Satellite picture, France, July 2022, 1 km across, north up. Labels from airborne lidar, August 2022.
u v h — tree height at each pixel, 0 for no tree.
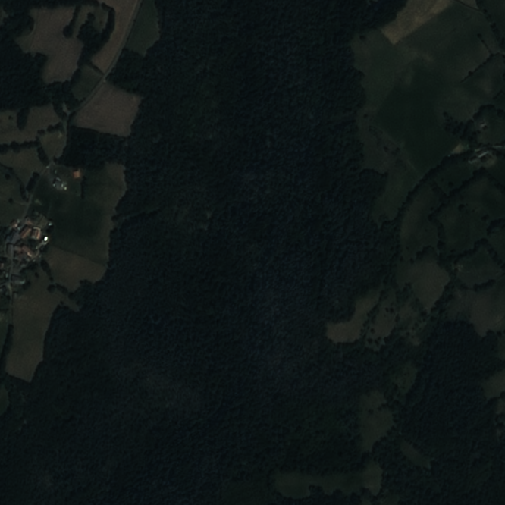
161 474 13
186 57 20
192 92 15
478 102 0
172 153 23
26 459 14
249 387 25
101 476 16
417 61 0
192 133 16
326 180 30
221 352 17
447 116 10
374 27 11
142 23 0
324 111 19
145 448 24
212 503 23
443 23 0
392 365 23
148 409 11
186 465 19
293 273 17
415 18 0
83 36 14
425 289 0
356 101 17
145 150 17
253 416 20
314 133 13
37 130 0
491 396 0
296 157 11
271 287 24
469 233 0
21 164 0
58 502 17
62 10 0
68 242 0
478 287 14
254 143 18
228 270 17
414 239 0
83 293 6
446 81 0
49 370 12
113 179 0
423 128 0
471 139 14
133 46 0
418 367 16
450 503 18
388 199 0
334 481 0
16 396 13
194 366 16
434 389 23
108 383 21
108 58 0
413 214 0
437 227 6
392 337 14
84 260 0
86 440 25
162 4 10
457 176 0
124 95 0
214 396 25
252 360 16
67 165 10
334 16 12
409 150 0
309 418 16
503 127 0
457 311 0
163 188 19
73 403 20
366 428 0
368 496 16
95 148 23
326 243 24
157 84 9
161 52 18
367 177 16
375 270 17
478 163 0
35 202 0
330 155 8
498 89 0
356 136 10
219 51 20
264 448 11
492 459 13
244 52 20
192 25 17
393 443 10
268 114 6
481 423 10
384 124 0
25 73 16
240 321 9
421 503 23
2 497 22
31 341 0
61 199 0
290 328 7
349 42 14
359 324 0
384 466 21
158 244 25
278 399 20
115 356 19
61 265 0
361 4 23
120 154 10
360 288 15
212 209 15
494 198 0
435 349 24
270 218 15
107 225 0
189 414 25
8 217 0
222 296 21
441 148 0
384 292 11
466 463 10
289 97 11
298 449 9
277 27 15
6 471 24
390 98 0
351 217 16
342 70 14
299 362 12
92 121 0
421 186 16
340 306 12
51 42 0
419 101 0
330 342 12
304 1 12
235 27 17
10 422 21
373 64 0
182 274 23
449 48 0
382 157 0
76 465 22
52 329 13
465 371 20
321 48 15
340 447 8
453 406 19
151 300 28
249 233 21
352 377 22
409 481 10
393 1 24
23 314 0
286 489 0
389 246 16
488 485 16
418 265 0
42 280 0
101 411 20
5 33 11
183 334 27
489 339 12
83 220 0
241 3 18
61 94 12
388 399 16
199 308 28
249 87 27
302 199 16
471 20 0
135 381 13
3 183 0
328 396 22
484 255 0
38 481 17
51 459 22
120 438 22
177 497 21
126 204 19
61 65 0
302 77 9
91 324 15
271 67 10
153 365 20
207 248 23
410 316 0
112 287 27
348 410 8
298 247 20
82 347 13
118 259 21
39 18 0
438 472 20
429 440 24
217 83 11
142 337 29
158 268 27
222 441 19
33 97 15
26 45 0
